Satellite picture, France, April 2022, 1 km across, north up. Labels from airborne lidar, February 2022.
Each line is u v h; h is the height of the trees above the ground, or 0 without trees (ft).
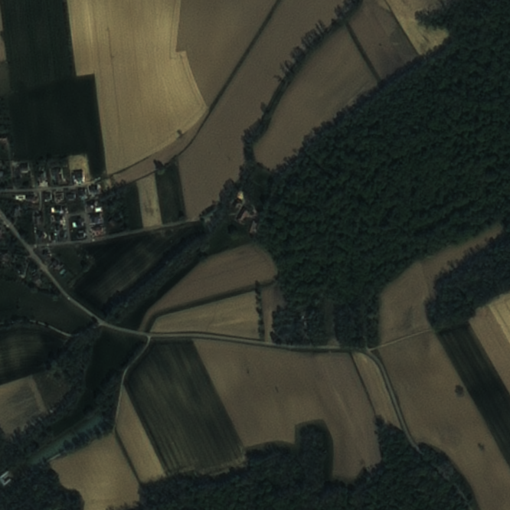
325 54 0
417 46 0
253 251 0
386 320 0
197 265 0
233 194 74
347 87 0
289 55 0
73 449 62
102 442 0
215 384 0
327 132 66
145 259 0
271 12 0
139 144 0
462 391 52
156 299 0
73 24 0
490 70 84
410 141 78
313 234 92
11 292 0
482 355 0
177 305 0
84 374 72
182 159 0
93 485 0
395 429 73
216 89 0
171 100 0
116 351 0
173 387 0
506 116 72
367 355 0
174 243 0
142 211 0
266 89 0
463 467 0
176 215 0
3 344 0
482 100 83
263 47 0
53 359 66
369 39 0
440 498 88
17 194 0
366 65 0
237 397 0
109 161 0
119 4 0
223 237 0
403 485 93
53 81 0
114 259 0
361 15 0
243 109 0
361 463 0
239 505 94
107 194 50
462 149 58
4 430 98
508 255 65
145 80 0
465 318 70
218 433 0
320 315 53
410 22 0
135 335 0
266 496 91
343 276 70
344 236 77
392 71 0
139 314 0
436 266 0
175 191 0
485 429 0
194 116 0
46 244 0
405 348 0
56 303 0
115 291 0
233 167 0
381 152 72
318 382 0
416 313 0
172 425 0
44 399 0
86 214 0
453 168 82
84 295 0
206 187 0
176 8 0
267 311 0
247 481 96
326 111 0
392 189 78
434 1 0
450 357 0
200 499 87
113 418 56
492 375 0
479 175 78
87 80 0
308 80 0
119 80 0
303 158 69
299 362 0
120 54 0
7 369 0
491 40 74
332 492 94
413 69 72
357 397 0
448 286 84
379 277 66
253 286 0
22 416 0
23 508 98
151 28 0
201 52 0
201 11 0
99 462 0
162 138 0
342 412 0
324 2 0
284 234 85
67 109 0
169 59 0
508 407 0
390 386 0
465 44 74
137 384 0
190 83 0
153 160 0
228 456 0
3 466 67
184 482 82
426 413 0
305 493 91
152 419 0
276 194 33
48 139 0
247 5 0
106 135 0
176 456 0
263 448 0
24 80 0
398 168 67
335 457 0
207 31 0
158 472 0
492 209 59
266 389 0
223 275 0
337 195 78
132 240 0
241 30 0
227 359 0
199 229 0
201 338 0
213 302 0
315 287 46
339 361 0
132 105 0
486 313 0
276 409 0
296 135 0
